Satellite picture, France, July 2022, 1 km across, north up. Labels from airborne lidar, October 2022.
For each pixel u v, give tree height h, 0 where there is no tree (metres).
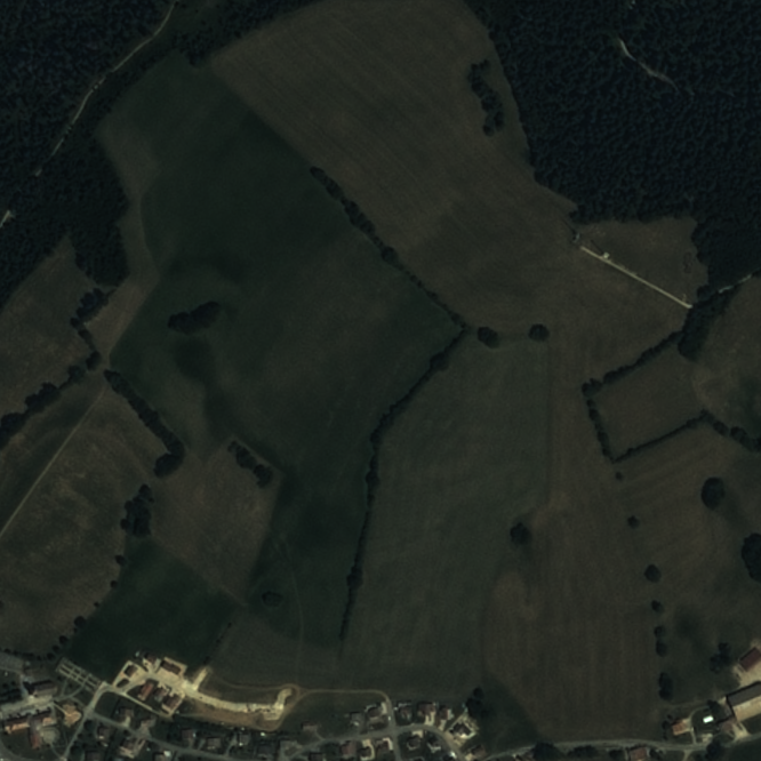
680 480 0
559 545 0
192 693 0
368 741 0
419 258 0
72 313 0
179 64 0
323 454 0
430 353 0
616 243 0
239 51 0
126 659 0
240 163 0
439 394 0
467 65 0
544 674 0
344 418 0
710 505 20
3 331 0
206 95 0
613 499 0
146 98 0
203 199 0
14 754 0
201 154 0
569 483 0
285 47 0
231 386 0
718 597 0
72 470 0
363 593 0
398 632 0
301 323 0
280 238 0
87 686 0
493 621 0
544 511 0
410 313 0
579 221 9
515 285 0
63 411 0
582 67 33
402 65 0
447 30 0
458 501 0
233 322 0
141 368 0
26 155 19
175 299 0
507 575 0
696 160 16
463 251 0
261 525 0
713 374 0
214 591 0
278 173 0
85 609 0
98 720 0
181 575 0
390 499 0
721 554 0
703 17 30
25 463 0
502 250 0
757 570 23
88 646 0
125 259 9
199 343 0
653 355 14
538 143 19
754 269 15
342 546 0
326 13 0
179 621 0
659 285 0
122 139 0
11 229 14
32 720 0
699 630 0
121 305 0
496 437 0
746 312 0
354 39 0
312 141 0
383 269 0
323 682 0
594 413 12
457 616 0
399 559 0
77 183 7
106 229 7
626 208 17
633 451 10
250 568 0
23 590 0
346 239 0
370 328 0
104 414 0
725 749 20
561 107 21
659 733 0
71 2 32
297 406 0
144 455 0
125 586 0
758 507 0
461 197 0
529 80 31
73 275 0
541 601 0
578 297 0
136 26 14
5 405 0
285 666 0
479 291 0
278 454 0
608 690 0
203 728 14
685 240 0
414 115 0
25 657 6
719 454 0
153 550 0
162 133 0
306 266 0
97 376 0
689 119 27
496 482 0
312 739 0
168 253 0
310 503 0
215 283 0
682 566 0
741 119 33
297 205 0
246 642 0
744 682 0
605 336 0
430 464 0
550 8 30
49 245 10
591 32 40
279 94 0
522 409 0
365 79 0
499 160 0
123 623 0
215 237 0
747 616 0
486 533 0
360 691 0
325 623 0
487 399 0
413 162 0
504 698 0
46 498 0
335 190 19
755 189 22
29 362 0
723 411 0
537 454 0
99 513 0
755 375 0
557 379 0
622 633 0
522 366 0
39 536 0
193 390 0
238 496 0
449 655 0
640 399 0
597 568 0
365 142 0
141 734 0
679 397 0
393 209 0
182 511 0
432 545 0
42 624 0
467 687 0
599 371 0
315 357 0
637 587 0
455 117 0
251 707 0
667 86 28
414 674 0
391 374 0
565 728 0
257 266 0
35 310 0
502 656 0
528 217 0
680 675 0
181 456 16
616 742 0
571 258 0
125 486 0
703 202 14
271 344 0
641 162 23
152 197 0
